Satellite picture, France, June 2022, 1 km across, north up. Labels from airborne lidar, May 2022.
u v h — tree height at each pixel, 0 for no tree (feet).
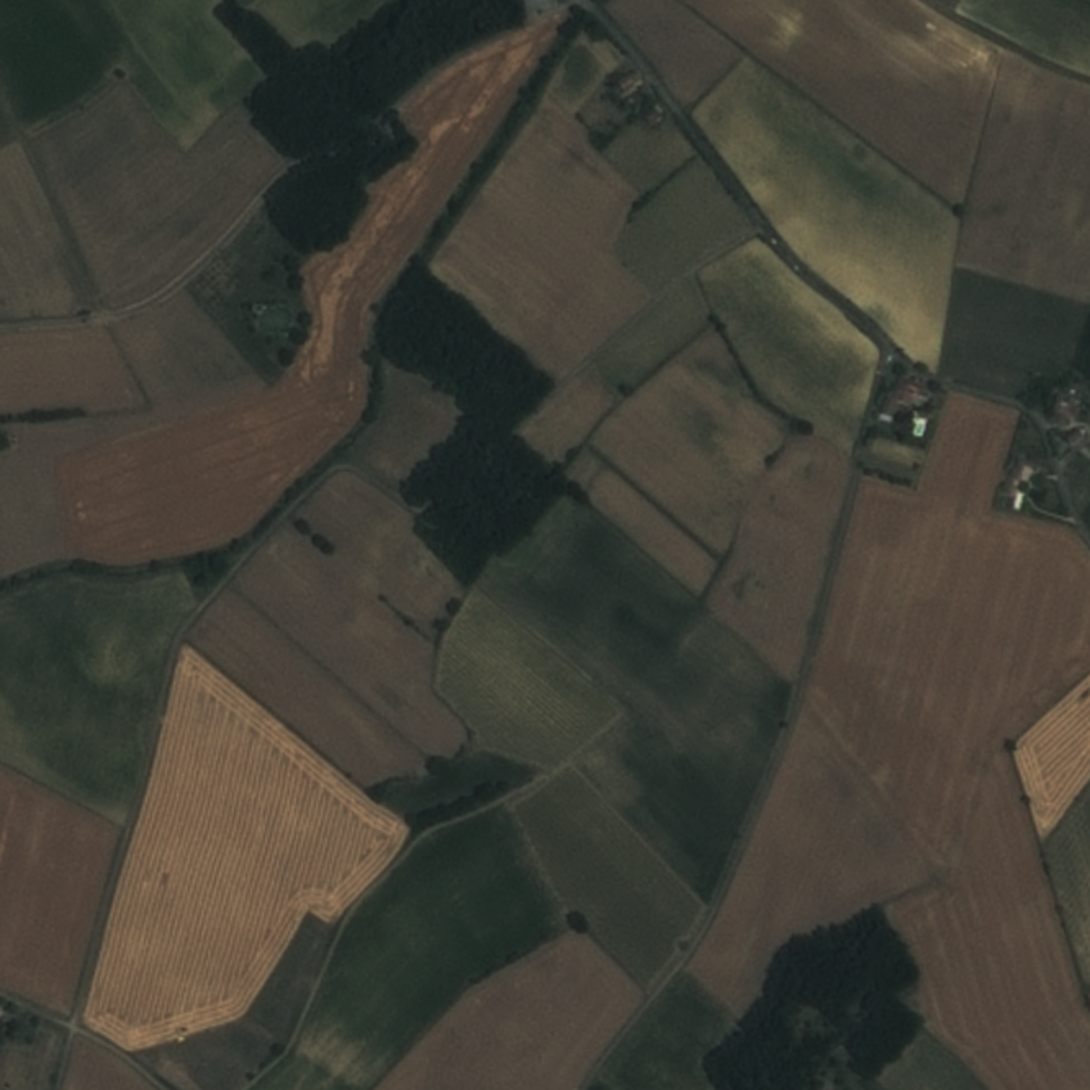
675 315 0
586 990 0
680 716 0
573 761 0
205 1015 0
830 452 0
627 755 0
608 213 0
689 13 0
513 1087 0
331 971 0
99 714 0
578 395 0
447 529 20
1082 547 0
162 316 0
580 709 0
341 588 0
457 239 0
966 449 0
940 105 0
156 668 0
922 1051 0
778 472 0
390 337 60
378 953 0
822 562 0
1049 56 0
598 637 0
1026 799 31
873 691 0
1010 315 0
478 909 0
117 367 0
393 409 0
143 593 0
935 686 0
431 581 0
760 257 0
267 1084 0
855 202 0
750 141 0
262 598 0
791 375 0
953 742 0
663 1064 0
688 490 0
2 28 0
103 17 0
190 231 0
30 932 0
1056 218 0
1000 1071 0
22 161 0
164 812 0
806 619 0
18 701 0
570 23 47
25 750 0
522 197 0
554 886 0
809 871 0
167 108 0
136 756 0
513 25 50
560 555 0
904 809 0
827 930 50
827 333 0
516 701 0
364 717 0
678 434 0
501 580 0
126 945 0
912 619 0
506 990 0
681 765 0
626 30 0
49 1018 0
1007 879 0
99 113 0
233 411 0
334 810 0
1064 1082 0
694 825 0
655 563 0
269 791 0
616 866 0
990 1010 0
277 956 0
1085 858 0
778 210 0
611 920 0
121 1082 0
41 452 0
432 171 0
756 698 0
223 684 0
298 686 0
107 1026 0
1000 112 0
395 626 0
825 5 0
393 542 0
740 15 0
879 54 0
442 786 0
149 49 0
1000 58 0
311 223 46
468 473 69
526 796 0
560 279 0
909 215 0
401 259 0
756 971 0
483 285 0
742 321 0
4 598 0
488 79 0
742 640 0
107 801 0
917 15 0
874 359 0
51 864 0
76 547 0
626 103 36
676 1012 0
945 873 0
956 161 0
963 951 0
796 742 0
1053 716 0
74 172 0
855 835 0
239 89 0
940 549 0
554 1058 0
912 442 0
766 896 0
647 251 0
